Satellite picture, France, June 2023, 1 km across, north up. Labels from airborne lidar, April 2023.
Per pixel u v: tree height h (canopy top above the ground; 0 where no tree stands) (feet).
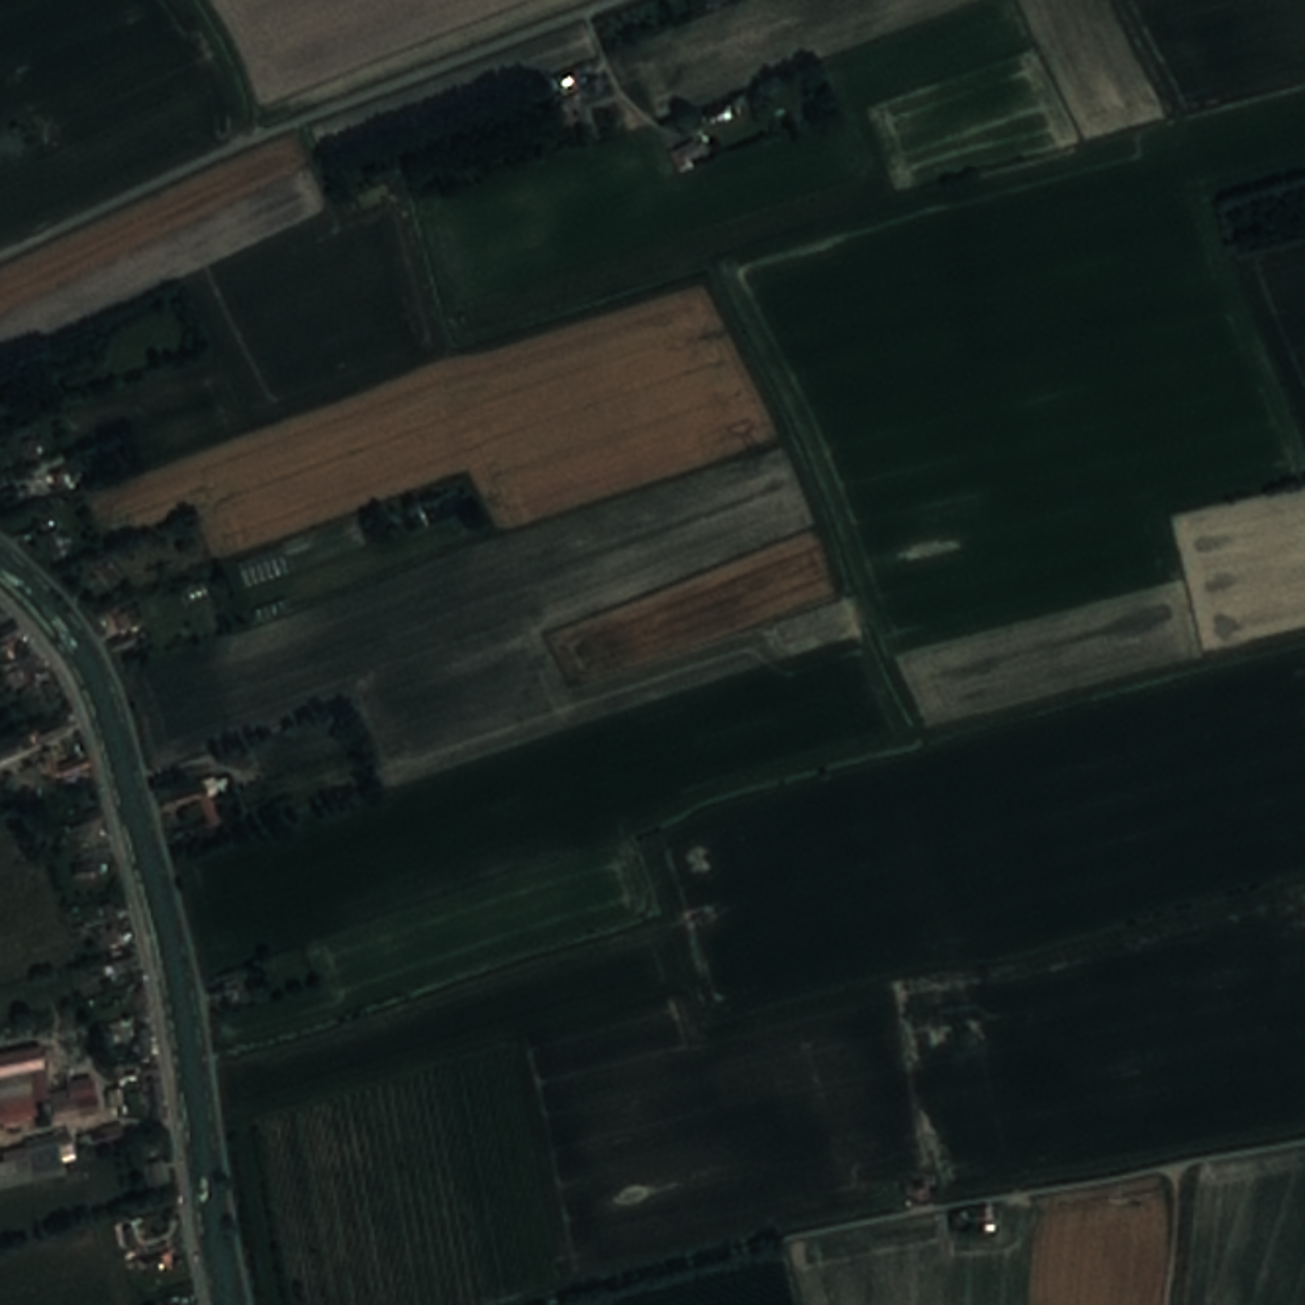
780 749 0
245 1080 0
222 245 0
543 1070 0
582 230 0
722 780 0
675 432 0
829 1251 0
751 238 0
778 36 0
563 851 0
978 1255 0
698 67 0
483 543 0
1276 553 0
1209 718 0
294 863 0
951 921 0
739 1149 0
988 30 0
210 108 0
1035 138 0
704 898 0
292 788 0
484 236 0
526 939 0
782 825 0
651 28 19
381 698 0
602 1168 0
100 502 0
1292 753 0
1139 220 0
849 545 0
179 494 0
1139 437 0
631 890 0
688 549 0
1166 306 0
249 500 0
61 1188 0
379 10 0
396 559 0
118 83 0
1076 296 0
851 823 0
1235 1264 0
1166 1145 0
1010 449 0
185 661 0
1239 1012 0
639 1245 0
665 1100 0
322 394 0
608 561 0
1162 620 0
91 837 0
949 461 0
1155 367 0
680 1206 0
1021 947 0
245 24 0
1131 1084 0
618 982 0
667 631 0
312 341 0
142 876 0
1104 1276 0
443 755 0
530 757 0
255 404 0
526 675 0
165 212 0
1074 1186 0
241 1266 0
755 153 0
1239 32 0
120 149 0
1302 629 0
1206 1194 0
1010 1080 0
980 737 0
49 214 0
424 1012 0
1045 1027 0
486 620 0
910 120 0
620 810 0
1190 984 0
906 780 0
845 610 0
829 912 0
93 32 0
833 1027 0
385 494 0
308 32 0
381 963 0
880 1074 0
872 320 0
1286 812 0
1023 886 0
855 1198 0
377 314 0
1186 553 0
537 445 0
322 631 0
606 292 0
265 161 0
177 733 0
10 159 0
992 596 0
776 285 0
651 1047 0
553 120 55
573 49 0
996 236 0
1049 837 0
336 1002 0
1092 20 0
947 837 0
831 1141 0
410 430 0
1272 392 0
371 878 0
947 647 0
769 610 0
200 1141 0
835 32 0
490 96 88
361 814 0
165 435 0
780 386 0
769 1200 0
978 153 0
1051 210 0
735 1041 0
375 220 0
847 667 0
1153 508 0
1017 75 0
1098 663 0
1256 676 0
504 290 0
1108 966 0
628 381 0
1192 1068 0
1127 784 0
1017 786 0
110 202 0
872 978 0
